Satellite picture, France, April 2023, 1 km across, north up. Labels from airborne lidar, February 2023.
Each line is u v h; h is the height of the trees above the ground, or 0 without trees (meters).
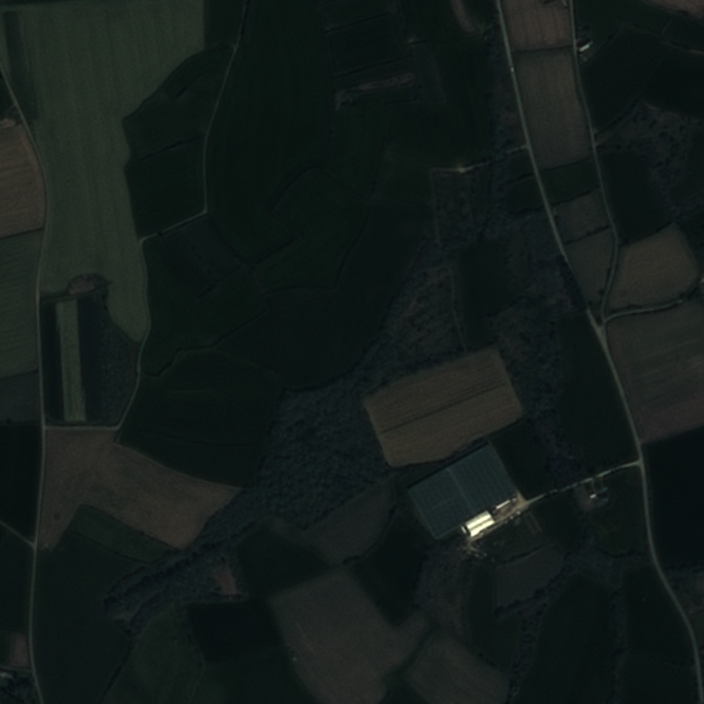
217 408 0
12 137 0
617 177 0
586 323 0
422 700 0
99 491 0
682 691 0
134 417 0
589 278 0
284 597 0
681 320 0
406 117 0
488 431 0
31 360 0
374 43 0
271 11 0
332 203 0
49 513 0
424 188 0
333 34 0
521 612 6
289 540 0
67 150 0
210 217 0
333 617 0
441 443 0
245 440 0
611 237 0
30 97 0
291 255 0
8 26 0
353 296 0
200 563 10
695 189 0
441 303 0
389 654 0
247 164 0
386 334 10
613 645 0
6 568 0
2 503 0
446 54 0
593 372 0
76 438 0
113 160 0
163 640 0
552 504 0
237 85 0
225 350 0
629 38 0
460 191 0
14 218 0
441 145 0
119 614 7
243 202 0
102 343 0
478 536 0
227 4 0
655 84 0
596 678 0
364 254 0
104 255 0
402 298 7
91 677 0
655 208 0
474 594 0
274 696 0
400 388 0
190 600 9
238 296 0
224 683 0
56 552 0
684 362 0
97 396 0
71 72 0
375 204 0
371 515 0
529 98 0
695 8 0
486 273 0
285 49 0
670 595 0
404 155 0
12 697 10
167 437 0
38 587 0
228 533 6
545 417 14
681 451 0
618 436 0
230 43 0
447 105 0
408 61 0
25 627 0
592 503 0
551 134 0
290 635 0
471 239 7
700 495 0
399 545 0
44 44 0
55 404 0
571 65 0
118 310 0
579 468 16
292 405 6
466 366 0
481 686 0
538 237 7
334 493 6
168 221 0
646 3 0
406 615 0
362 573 0
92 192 0
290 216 0
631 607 0
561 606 0
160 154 0
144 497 0
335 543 0
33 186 0
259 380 0
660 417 0
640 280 0
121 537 0
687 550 0
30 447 0
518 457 0
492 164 8
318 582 0
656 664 0
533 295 0
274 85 0
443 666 0
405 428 0
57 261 0
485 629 0
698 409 0
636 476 0
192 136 0
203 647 0
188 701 0
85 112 0
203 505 0
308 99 0
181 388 0
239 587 7
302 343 0
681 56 0
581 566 9
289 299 0
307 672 0
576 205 0
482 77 0
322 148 0
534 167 0
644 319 0
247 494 8
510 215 6
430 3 0
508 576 0
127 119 0
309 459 9
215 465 0
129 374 0
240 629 0
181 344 0
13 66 0
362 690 0
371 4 0
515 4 0
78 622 0
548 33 0
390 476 9
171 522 0
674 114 0
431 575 6
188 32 0
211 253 0
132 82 0
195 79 0
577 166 0
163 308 0
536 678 0
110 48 0
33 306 0
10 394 0
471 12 0
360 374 7
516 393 8
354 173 0
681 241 0
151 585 12
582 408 0
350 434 11
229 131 0
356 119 0
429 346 0
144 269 0
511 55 0
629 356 0
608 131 0
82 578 0
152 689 0
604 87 0
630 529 0
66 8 0
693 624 0
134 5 0
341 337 0
